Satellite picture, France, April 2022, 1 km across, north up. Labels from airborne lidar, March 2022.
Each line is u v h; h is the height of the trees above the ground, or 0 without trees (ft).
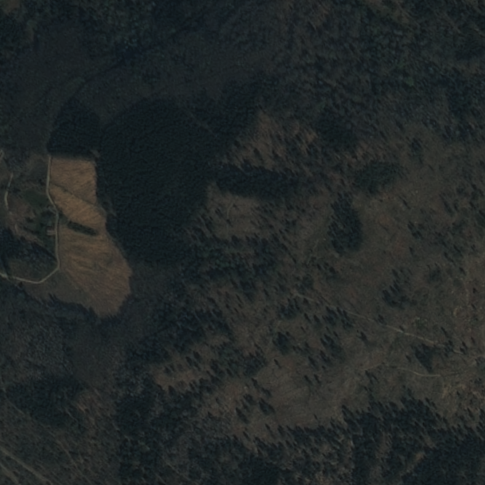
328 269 46
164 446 93
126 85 71
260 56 106
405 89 72
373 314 0
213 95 67
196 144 77
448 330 0
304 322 0
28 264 83
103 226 0
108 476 92
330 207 47
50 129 61
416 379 0
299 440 78
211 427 73
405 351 71
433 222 52
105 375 64
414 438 62
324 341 0
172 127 69
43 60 56
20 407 72
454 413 0
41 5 69
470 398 0
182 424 60
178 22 62
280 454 53
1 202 0
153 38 59
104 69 52
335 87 20
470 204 0
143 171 68
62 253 0
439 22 105
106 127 46
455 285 0
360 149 60
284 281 87
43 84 56
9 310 73
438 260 0
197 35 70
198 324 90
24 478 91
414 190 0
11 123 50
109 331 73
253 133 64
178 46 85
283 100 46
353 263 0
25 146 64
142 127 72
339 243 109
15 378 29
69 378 70
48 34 54
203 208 76
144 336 62
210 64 78
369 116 62
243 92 76
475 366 0
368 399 0
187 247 88
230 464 35
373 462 120
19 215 0
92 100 63
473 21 88
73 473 83
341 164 38
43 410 63
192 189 71
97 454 79
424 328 0
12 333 65
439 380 0
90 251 0
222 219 83
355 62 90
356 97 99
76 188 0
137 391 83
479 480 83
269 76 77
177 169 77
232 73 80
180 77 72
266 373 0
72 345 65
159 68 80
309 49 92
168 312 65
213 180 79
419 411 88
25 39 46
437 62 77
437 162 0
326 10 84
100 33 50
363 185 22
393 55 48
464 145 62
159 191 78
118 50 44
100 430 80
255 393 0
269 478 79
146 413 106
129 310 64
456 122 104
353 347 0
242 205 0
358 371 0
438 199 0
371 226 0
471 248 0
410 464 52
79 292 0
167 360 92
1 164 0
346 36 90
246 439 0
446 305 0
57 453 64
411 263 0
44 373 70
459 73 50
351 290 0
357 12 79
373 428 79
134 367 71
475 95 84
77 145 72
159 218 74
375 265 0
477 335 0
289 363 0
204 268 80
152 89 64
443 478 97
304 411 0
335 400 0
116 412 71
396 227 0
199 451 52
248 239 0
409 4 70
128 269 0
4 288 80
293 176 60
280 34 72
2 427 27
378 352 0
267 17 104
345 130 63
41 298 0
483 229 0
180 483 28
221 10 64
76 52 73
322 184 62
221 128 74
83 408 73
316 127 70
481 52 33
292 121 41
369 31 50
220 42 77
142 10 32
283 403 0
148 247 73
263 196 100
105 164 63
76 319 84
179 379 0
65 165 0
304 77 111
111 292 0
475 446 65
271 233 59
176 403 55
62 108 52
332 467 66
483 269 0
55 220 65
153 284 67
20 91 66
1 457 81
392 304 87
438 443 94
